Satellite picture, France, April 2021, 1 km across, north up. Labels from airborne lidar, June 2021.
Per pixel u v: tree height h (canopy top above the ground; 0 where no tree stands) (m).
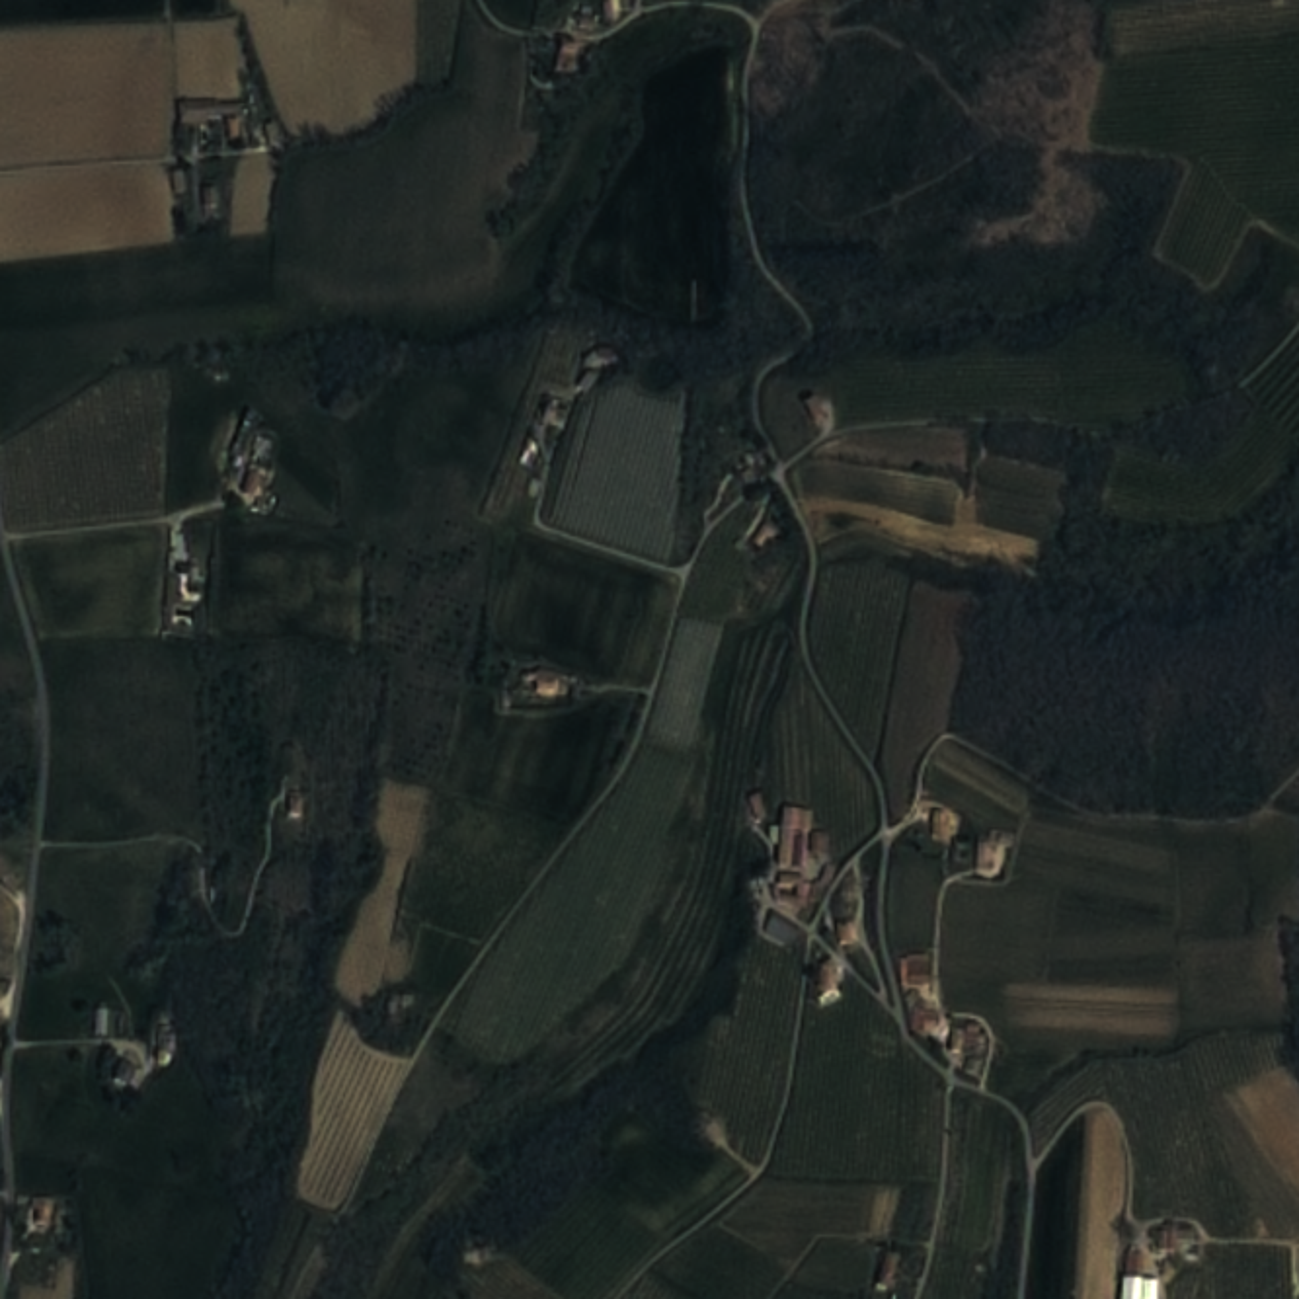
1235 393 11
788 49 0
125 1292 0
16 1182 0
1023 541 0
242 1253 14
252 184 0
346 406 27
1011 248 13
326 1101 0
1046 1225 0
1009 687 16
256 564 0
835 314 32
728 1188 0
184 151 14
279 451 0
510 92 0
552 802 0
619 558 0
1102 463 12
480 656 8
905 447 0
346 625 0
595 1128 9
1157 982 0
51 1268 0
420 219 0
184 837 0
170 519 0
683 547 0
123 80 0
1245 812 16
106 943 0
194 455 0
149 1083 0
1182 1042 0
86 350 0
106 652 0
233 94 0
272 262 0
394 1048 14
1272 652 18
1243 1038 0
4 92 0
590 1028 0
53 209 0
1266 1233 0
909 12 21
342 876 15
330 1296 17
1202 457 11
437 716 0
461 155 0
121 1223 0
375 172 0
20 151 0
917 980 0
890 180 0
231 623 0
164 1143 0
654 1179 0
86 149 0
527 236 0
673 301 0
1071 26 0
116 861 0
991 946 0
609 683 0
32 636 0
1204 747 18
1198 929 0
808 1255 0
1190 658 16
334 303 0
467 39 0
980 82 14
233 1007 13
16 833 28
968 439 11
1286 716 10
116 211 0
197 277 0
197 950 13
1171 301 22
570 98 19
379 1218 15
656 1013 6
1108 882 0
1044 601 28
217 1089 10
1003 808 0
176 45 0
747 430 11
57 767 0
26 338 0
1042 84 9
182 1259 0
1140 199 17
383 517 0
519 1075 16
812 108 7
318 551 0
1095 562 23
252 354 19
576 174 0
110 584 0
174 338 0
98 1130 0
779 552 9
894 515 0
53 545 0
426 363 18
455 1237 14
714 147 0
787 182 9
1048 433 12
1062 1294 0
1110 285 27
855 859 0
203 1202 0
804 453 0
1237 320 18
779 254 15
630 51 6
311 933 8
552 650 0
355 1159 0
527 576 0
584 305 21
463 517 0
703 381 16
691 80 0
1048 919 0
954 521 0
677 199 0
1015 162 12
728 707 7
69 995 0
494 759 0
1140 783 17
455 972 0
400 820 0
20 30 0
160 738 0
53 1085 0
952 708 7
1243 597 23
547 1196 12
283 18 0
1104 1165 0
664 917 0
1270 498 9
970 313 23
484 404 0
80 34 0
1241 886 0
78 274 0
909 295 28
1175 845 0
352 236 0
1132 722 18
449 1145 15
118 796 0
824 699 0
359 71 0
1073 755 18
